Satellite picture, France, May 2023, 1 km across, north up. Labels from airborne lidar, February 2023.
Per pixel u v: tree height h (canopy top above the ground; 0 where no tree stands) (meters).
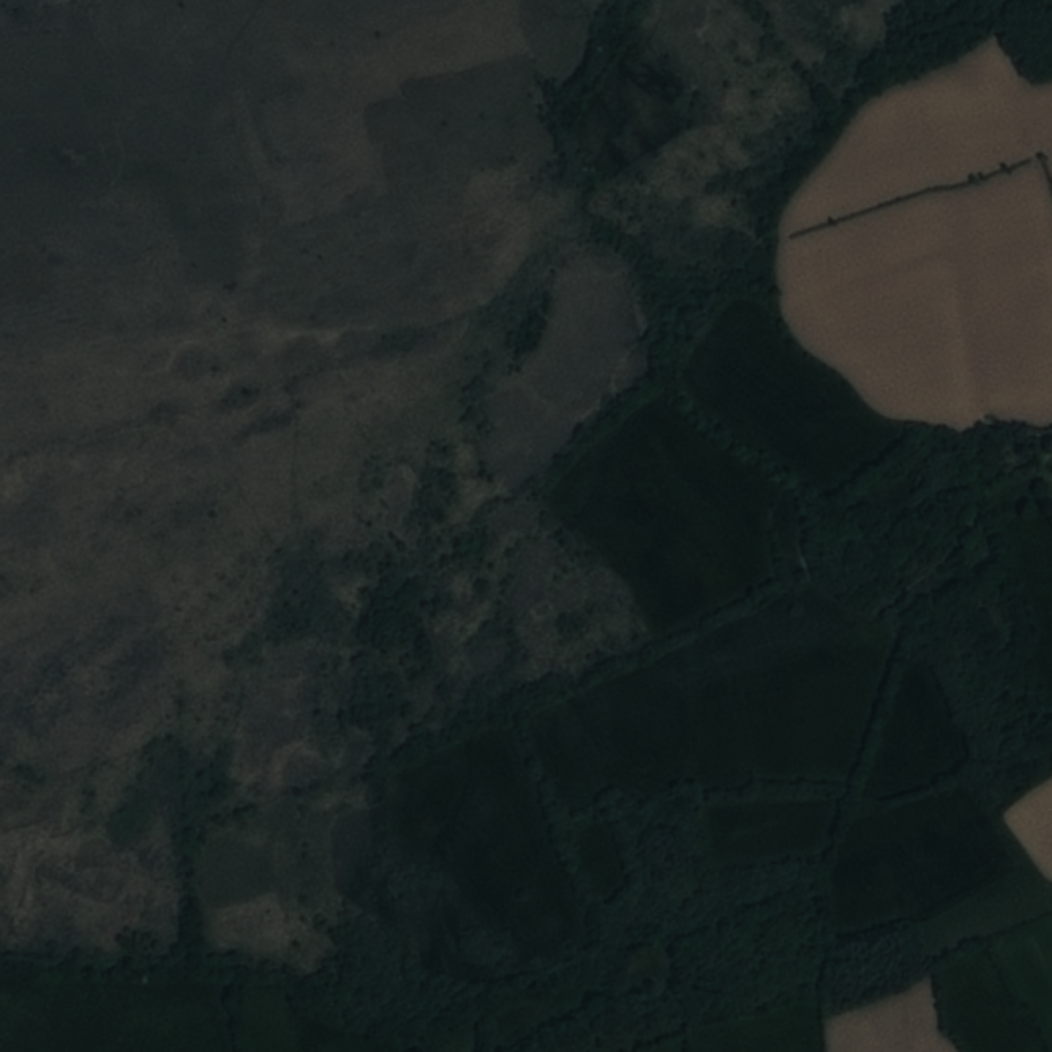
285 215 0
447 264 0
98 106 0
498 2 0
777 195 9
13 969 13
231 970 14
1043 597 0
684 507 0
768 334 0
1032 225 0
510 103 0
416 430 0
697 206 0
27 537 0
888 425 0
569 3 0
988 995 0
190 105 0
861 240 0
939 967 9
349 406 0
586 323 0
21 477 0
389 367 0
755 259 10
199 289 0
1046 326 0
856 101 12
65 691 0
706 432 13
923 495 8
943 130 0
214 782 7
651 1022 16
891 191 0
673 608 0
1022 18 20
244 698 0
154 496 0
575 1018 9
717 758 0
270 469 0
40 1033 0
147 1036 0
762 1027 0
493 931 0
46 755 0
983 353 0
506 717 9
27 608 0
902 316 0
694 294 9
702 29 0
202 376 0
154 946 6
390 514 0
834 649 0
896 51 13
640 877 9
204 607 0
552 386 0
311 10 0
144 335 0
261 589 0
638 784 0
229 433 0
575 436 8
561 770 0
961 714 9
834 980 19
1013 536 0
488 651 0
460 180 0
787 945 9
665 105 0
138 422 0
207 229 0
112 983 9
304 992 17
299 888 0
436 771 0
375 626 13
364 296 0
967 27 14
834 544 8
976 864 0
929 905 0
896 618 11
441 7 0
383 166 0
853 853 0
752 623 0
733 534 0
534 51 0
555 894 0
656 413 0
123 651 0
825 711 0
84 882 0
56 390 0
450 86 0
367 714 7
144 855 0
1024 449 14
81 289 0
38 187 0
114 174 0
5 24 0
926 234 0
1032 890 0
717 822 0
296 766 0
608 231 6
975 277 0
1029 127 0
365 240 0
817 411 0
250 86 0
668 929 10
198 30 0
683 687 0
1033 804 0
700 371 0
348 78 0
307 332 0
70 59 0
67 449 0
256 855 0
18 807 0
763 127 0
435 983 7
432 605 9
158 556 0
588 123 0
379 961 5
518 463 0
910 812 0
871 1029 0
